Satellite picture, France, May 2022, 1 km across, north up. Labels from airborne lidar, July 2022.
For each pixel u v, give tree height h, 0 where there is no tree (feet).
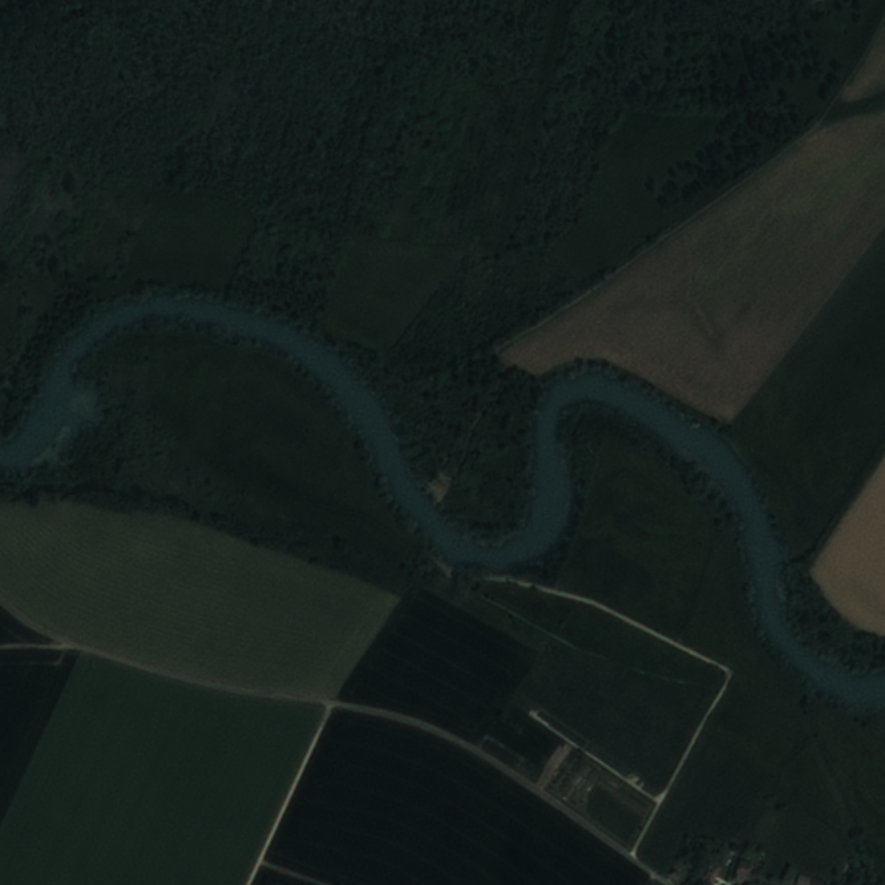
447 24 43
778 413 0
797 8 54
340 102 25
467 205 23
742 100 79
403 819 0
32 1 72
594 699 0
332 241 37
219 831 0
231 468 0
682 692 0
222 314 0
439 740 0
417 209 19
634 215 0
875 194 0
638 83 17
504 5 22
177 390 0
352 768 0
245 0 70
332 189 36
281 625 0
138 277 0
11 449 0
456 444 18
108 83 19
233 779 0
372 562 0
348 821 0
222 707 0
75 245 22
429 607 0
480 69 72
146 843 0
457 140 23
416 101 37
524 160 0
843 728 0
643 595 0
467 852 0
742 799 0
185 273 0
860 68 0
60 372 0
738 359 0
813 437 0
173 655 0
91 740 0
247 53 26
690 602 0
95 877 0
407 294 0
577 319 0
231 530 22
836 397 0
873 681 0
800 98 0
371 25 64
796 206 0
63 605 0
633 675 0
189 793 0
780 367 0
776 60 62
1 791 0
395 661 0
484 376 19
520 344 0
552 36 0
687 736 0
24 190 32
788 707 0
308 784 0
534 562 30
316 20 61
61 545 0
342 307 0
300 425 0
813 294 0
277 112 43
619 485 0
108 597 0
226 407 0
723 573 0
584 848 0
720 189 51
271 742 0
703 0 61
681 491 0
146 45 57
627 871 0
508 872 0
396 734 0
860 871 58
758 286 0
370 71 34
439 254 0
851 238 0
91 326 0
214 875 0
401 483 0
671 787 0
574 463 33
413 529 42
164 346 0
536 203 37
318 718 0
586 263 0
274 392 0
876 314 0
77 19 61
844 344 0
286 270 47
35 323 28
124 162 41
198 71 50
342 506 0
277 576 0
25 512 0
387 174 48
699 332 0
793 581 25
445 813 0
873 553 0
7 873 0
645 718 0
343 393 0
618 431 45
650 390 40
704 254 0
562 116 47
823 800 0
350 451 0
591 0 18
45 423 0
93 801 0
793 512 0
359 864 0
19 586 0
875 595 0
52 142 44
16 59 69
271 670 0
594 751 0
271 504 0
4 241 25
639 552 0
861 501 0
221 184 55
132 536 0
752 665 0
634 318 0
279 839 0
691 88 40
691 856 53
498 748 0
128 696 0
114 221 0
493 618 0
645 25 28
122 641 0
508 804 0
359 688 0
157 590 0
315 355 0
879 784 0
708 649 0
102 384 33
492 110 23
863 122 0
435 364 24
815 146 0
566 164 57
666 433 0
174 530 0
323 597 0
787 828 0
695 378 0
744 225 0
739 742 0
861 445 0
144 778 0
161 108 53
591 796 0
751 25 64
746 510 0
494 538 49
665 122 0
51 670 0
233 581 0
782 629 0
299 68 47
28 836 0
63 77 53
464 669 0
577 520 69
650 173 0
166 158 55
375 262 0
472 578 54
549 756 0
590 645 0
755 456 0
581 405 51
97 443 19
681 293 0
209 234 0
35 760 0
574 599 0
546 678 0
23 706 0
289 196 40
